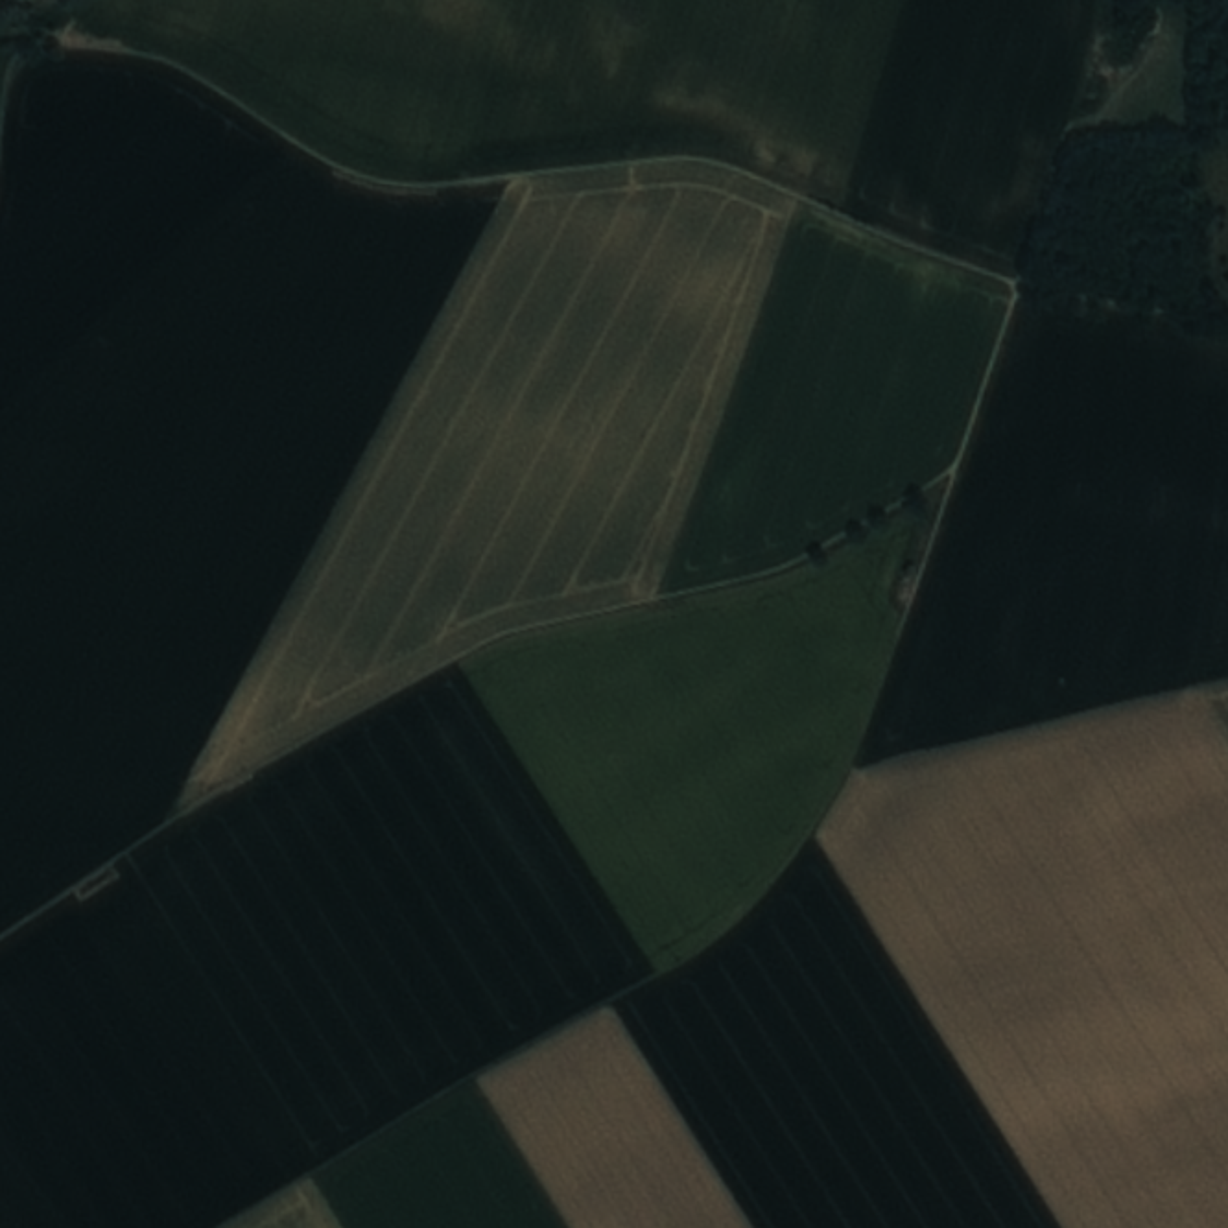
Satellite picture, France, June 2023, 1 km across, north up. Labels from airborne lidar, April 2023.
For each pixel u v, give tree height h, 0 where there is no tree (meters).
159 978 0
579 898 0
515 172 0
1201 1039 0
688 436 0
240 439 0
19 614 0
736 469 0
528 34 0
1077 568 0
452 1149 0
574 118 0
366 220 0
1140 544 0
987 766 0
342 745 0
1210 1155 0
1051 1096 0
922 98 0
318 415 0
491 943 0
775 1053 0
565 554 0
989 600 0
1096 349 0
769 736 0
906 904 0
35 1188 0
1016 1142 0
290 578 0
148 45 0
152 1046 0
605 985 0
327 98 0
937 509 0
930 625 0
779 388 0
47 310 0
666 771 0
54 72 0
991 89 0
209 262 0
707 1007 0
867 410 0
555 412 0
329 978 0
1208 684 0
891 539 0
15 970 0
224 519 0
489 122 0
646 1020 0
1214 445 0
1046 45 0
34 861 0
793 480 0
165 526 0
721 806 0
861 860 0
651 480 0
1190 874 0
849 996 0
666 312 0
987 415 0
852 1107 0
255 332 0
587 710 0
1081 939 0
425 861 0
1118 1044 0
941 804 0
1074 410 0
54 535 0
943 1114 0
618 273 0
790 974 0
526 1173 0
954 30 0
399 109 0
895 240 0
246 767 0
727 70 0
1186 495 0
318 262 0
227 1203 0
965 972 0
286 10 0
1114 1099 0
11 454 0
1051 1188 0
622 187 0
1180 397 0
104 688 0
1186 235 19
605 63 0
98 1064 0
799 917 0
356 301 0
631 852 0
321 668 0
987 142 0
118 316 0
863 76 0
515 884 0
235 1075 0
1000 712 0
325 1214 0
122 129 0
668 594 0
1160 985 0
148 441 0
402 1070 0
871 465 0
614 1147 0
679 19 0
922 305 0
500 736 0
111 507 0
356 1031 0
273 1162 0
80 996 0
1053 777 0
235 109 0
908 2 0
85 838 0
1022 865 0
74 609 0
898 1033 0
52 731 0
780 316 0
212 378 0
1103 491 0
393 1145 0
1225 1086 0
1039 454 0
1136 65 0
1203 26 17
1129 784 0
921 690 0
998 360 0
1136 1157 0
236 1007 0
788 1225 0
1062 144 7
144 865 0
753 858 0
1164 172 15
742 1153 0
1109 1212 0
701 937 0
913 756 0
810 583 0
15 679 0
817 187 0
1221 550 0
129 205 0
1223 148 0
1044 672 0
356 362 0
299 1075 0
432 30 0
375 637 0
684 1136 0
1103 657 0
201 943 0
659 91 0
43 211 0
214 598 0
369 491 0
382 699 0
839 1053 0
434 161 0
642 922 0
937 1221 0
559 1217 0
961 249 0
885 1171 0
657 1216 0
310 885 0
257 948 0
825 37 0
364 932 0
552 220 0
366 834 0
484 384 0
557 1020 0
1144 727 0
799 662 0
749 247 0
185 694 0
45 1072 0
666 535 0
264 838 0
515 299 0
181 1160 0
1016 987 0
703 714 0
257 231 0
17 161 0
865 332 0
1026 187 0
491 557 0
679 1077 0
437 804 0
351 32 0
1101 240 23
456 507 0
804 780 0
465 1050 0
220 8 0
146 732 0
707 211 0
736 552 0
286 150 0
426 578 0
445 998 0
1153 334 0
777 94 0
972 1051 0
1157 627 0
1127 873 0
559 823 0
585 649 0
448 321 0
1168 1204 0
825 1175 0
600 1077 0
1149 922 0
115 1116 0
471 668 0
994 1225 0
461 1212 0
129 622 0
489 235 0
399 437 0
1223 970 0
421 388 0
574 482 0
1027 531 0
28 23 9
